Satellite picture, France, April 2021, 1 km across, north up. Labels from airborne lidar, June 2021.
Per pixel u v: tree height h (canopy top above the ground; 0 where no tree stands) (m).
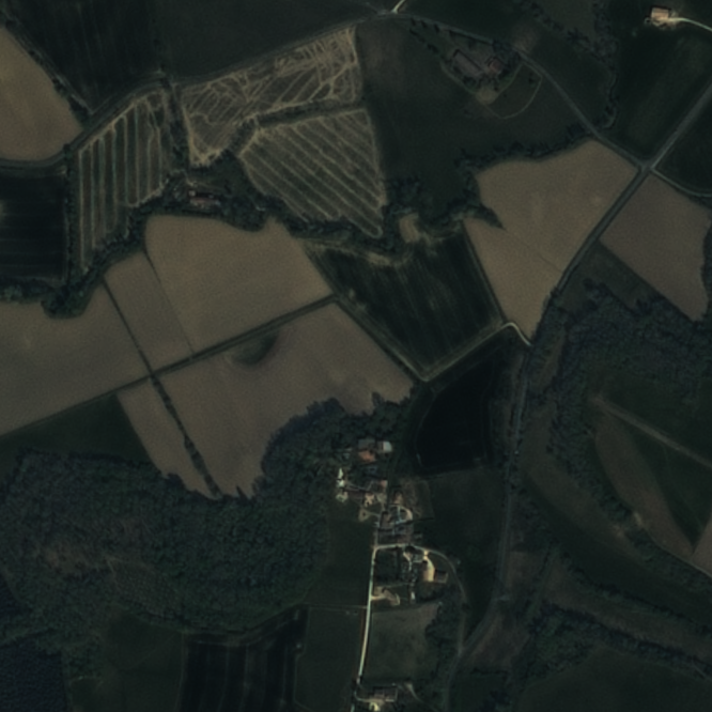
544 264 0
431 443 0
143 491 11
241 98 0
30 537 8
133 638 0
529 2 15
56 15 0
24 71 0
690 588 7
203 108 0
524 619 14
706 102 0
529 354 12
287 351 0
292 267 0
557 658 11
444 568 0
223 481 0
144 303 0
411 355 0
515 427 8
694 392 19
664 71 0
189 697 0
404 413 9
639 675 0
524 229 0
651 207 0
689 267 0
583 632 18
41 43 0
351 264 0
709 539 0
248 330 0
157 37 0
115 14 0
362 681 8
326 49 0
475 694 0
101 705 0
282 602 15
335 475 7
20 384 0
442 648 11
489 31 0
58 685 16
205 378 0
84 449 0
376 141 0
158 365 0
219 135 0
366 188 0
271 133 0
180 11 0
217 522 15
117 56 0
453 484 0
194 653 0
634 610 7
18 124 0
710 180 0
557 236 0
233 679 0
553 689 0
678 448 0
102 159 0
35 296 26
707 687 0
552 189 0
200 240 0
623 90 0
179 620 18
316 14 0
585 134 17
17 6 0
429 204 13
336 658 0
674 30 0
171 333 0
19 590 7
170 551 21
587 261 0
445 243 0
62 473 14
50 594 18
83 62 0
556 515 0
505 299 0
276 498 22
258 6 0
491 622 0
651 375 15
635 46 0
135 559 17
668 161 0
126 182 0
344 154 0
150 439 0
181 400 0
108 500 22
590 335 17
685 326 18
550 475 0
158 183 0
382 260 0
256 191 18
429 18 0
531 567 0
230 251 0
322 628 0
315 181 0
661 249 0
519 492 13
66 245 0
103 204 0
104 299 0
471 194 11
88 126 26
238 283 0
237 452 0
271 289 0
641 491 0
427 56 0
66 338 0
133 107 0
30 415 0
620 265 0
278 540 14
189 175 21
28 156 0
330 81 0
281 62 0
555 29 8
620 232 0
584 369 17
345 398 0
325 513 10
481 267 0
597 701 0
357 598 0
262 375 0
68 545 14
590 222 0
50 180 0
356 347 0
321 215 0
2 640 14
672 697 0
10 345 0
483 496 0
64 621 19
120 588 18
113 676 0
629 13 0
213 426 0
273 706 0
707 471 0
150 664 0
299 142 0
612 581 0
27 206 0
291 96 0
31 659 13
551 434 0
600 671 0
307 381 0
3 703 14
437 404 0
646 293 0
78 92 0
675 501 0
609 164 0
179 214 24
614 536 0
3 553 17
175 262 0
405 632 0
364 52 0
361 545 0
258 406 0
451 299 0
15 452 0
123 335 0
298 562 16
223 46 0
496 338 0
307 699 0
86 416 0
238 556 10
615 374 0
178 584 16
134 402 0
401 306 0
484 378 0
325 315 0
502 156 18
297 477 18
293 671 0
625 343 21
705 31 0
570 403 21
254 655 0
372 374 0
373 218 0
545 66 0
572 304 0
